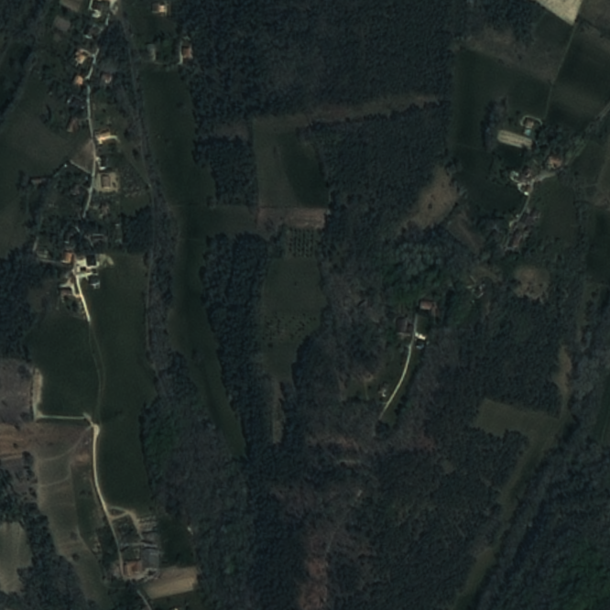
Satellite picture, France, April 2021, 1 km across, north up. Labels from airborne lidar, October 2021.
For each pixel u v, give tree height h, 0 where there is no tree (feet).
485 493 55
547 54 0
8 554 0
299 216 0
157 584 0
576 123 0
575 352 75
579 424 59
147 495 0
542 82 0
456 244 46
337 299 68
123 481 0
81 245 34
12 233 0
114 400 0
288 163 0
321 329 30
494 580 82
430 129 50
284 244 29
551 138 20
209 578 59
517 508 32
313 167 0
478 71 0
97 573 0
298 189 0
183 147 0
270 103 67
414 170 53
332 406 66
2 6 20
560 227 0
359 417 68
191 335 0
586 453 53
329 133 61
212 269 36
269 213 0
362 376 48
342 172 66
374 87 63
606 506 33
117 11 0
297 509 42
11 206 0
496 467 58
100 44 34
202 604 25
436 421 69
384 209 65
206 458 84
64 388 0
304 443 64
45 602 43
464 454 59
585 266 35
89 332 0
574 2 0
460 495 54
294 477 61
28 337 0
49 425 0
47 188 61
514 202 0
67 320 0
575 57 0
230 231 0
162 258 53
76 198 35
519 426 0
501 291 55
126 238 55
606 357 95
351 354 72
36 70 31
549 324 61
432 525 51
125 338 0
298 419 58
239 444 0
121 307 0
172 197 0
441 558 65
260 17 85
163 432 73
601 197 0
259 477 73
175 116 0
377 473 65
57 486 0
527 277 0
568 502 61
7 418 0
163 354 60
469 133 0
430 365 49
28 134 0
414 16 65
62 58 20
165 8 0
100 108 0
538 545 95
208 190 0
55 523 0
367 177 63
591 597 56
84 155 0
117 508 0
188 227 0
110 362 0
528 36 39
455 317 71
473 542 79
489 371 61
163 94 0
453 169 33
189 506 64
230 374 63
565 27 0
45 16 74
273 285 0
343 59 70
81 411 0
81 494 21
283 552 81
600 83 0
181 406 72
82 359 0
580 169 0
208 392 0
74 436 0
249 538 71
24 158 0
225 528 78
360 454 43
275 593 87
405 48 63
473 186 0
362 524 59
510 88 0
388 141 64
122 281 0
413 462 80
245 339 50
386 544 72
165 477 72
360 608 61
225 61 63
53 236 35
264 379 46
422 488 48
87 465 0
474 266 60
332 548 42
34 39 58
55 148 0
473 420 45
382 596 69
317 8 52
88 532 0
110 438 0
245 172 71
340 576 55
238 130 0
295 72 67
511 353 76
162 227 61
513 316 59
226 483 63
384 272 74
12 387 0
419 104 0
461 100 0
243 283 38
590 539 34
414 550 62
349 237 69
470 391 58
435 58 50
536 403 49
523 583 44
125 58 29
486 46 0
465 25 43
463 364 45
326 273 63
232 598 63
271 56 74
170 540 0
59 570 70
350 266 66
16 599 55
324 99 70
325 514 41
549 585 59
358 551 29
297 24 78
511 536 66
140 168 0
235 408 47
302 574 76
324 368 66
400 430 52
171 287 50
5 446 0
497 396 73
